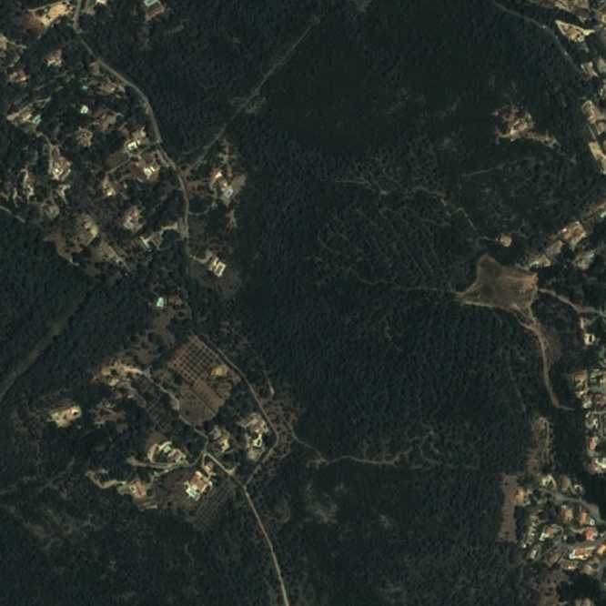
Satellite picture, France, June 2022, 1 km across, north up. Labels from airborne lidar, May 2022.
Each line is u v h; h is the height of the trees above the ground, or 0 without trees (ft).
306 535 21
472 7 25
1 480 33
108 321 70
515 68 20
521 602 56
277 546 37
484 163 22
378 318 45
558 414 30
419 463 21
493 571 40
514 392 60
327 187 25
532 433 64
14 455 44
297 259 52
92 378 31
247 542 41
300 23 25
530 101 24
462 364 33
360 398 59
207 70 63
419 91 22
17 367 42
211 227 22
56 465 45
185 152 40
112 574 19
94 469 43
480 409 25
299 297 25
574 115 62
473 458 60
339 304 30
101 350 69
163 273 64
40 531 0
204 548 28
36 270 70
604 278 43
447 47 47
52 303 74
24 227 64
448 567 20
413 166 59
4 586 33
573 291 42
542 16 52
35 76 63
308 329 52
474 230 21
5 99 70
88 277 35
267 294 25
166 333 0
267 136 29
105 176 24
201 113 52
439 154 21
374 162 39
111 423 33
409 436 21
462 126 18
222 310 54
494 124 18
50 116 45
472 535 46
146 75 55
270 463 38
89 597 46
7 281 71
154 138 18
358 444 31
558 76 65
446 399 46
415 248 54
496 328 48
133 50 40
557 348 0
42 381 49
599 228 43
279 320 52
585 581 41
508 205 23
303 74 17
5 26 61
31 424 33
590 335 30
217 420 33
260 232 20
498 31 26
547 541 33
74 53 60
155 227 29
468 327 49
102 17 58
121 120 24
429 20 19
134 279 63
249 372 22
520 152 25
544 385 22
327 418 47
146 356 0
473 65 18
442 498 64
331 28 20
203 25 54
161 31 61
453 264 52
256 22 59
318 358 59
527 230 51
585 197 58
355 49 26
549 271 51
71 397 54
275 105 17
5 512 23
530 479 23
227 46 22
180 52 26
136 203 56
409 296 35
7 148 66
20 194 28
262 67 35
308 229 30
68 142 28
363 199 29
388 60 23
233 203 25
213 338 49
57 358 51
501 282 0
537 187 24
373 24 24
